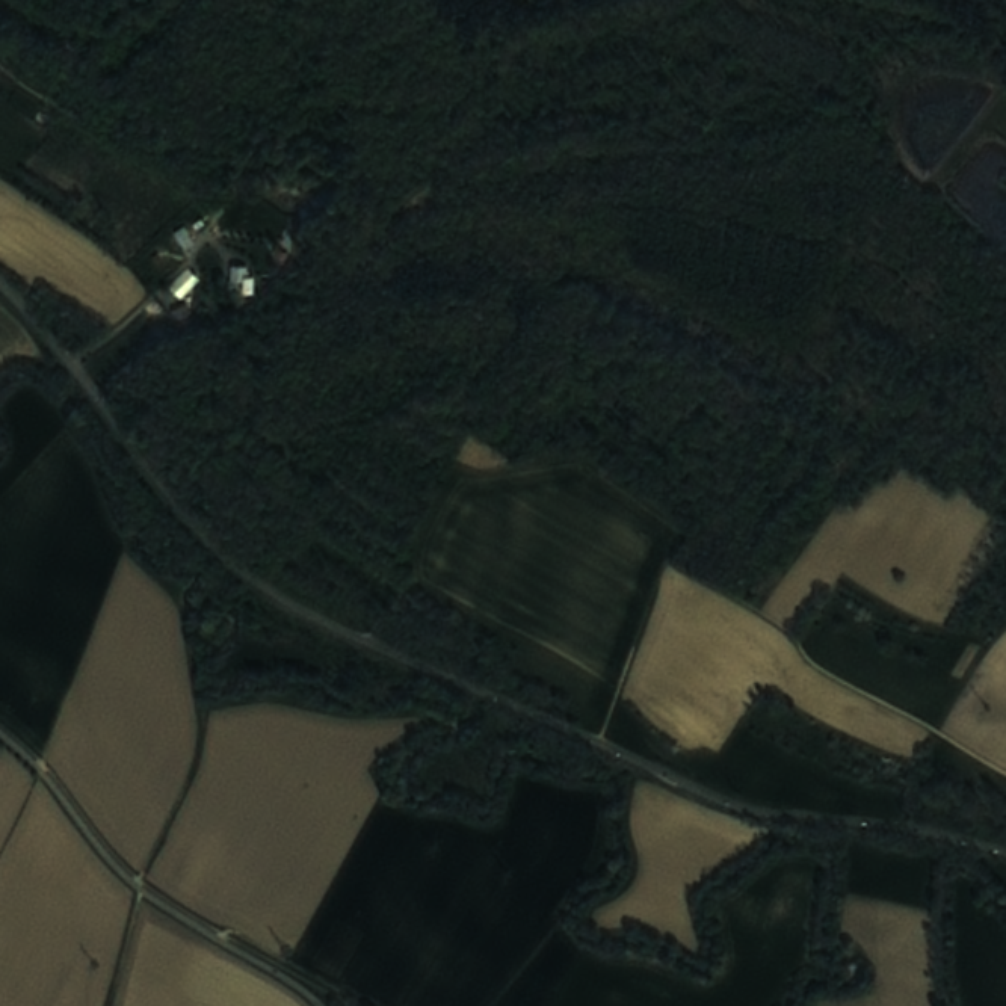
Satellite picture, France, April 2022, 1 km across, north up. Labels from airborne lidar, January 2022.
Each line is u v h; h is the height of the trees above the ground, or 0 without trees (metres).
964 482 23
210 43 23
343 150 25
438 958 0
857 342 37
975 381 35
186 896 0
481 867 0
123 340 0
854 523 0
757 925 0
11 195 0
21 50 28
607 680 0
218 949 0
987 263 19
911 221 16
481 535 0
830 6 8
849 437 25
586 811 0
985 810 28
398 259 25
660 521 0
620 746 0
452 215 20
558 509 0
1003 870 0
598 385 30
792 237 16
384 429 22
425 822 0
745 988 0
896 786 7
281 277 17
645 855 0
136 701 0
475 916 0
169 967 0
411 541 16
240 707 0
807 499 23
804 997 15
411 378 19
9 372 18
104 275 0
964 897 0
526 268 25
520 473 0
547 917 0
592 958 0
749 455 24
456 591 0
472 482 0
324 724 0
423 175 20
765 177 19
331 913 0
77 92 30
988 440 31
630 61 29
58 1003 0
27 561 0
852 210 17
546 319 28
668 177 19
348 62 23
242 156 33
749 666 0
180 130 29
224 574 26
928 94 0
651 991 0
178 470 33
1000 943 0
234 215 0
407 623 23
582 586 0
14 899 0
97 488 0
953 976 10
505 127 27
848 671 0
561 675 0
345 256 23
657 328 28
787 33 27
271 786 0
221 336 26
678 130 19
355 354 21
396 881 0
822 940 16
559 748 23
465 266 26
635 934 22
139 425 35
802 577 0
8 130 0
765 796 0
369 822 0
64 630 0
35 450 0
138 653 0
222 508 30
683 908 0
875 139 19
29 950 0
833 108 24
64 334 22
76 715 0
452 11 25
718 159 16
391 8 26
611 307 31
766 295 21
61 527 0
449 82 22
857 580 0
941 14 24
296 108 21
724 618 0
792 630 17
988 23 27
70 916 0
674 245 16
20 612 0
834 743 13
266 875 0
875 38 27
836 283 8
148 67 22
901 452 24
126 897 0
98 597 0
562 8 28
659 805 0
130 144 27
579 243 22
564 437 30
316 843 0
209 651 12
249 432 31
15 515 0
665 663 0
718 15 23
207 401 28
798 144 18
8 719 0
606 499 0
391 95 25
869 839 18
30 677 0
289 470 31
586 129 33
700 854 0
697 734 0
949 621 7
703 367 35
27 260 0
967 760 0
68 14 29
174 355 28
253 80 24
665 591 0
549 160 24
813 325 13
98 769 0
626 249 18
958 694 0
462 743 14
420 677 23
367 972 0
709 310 12
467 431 27
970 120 0
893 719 0
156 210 0
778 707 21
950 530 0
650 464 29
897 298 8
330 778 0
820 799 0
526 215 19
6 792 0
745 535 19
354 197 31
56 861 0
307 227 24
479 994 0
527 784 0
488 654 24
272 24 22
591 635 0
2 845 0
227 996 0
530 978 0
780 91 8
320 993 0
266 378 25
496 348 20
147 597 0
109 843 0
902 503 0
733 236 17
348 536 22
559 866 0
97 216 0
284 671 21
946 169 0
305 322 24
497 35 26
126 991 0
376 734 0
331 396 22
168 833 0
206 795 0
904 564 0
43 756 0
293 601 0
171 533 21
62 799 0
